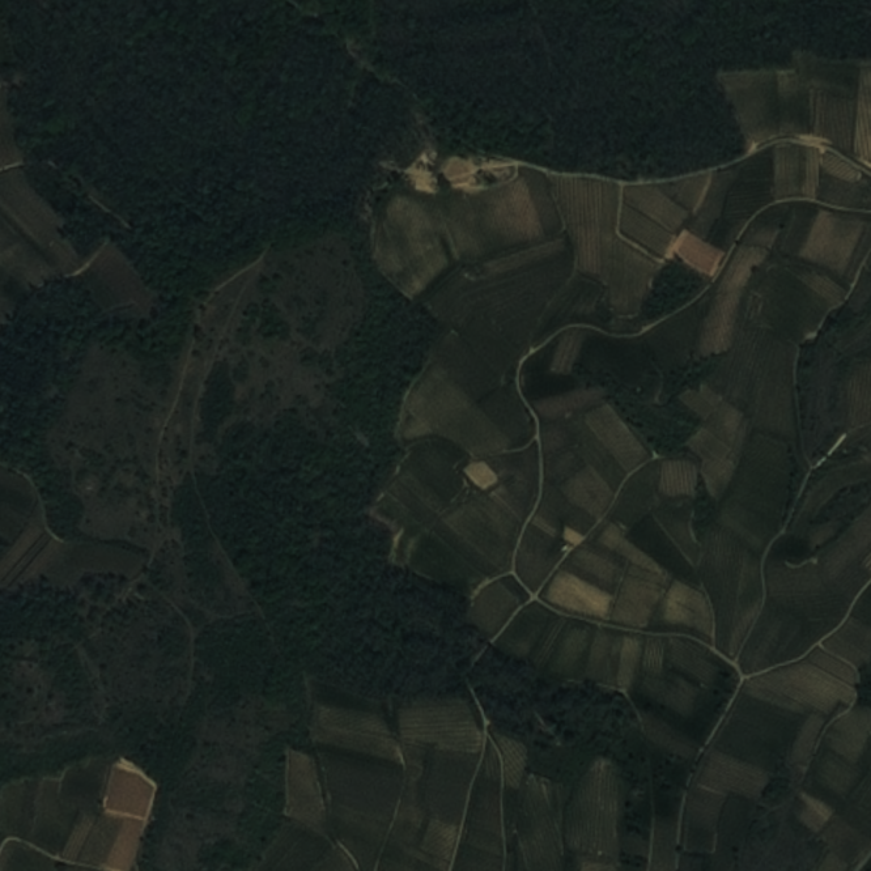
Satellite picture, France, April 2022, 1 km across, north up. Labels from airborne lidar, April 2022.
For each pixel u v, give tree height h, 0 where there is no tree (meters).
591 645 0
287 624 9
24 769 7
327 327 0
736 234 0
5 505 0
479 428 0
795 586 0
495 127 17
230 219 18
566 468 0
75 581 0
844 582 0
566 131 18
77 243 15
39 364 13
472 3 8
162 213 15
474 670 18
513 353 0
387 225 0
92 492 0
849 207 0
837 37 17
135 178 22
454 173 0
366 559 13
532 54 19
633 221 0
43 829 0
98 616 9
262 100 17
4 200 0
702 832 0
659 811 0
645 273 0
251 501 9
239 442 12
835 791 0
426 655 21
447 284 0
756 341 0
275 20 13
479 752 0
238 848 7
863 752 0
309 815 0
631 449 0
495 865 0
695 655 0
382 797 0
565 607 0
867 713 0
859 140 0
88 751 5
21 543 0
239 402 0
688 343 0
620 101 21
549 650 0
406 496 0
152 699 0
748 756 0
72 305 6
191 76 25
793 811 0
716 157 15
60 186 7
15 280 0
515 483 0
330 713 0
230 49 25
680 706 0
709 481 0
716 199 0
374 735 0
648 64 20
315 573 15
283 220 16
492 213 0
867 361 0
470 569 0
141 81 28
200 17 25
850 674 0
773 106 0
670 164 17
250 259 10
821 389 0
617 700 9
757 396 0
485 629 0
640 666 0
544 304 0
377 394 8
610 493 0
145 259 14
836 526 0
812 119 0
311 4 20
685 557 0
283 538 6
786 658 0
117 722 7
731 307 0
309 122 21
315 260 0
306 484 7
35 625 8
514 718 17
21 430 12
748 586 0
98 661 0
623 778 7
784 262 0
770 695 0
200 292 7
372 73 12
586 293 0
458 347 0
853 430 0
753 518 0
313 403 0
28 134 21
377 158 18
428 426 0
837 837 0
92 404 0
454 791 0
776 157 0
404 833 0
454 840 0
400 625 18
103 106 25
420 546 0
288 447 6
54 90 20
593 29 20
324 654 9
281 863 0
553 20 14
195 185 15
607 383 7
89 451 6
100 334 6
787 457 5
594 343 0
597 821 0
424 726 0
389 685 14
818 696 0
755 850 0
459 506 0
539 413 0
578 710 17
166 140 29
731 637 0
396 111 19
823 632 0
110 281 0
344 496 9
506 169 0
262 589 13
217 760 0
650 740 0
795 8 20
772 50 16
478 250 0
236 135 24
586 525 0
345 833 0
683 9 22
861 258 0
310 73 22
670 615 0
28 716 0
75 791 0
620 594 0
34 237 0
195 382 0
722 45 19
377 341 11
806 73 0
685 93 21
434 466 0
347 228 12
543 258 0
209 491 6
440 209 0
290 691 7
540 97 21
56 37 25
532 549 0
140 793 0
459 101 19
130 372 0
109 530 0
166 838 0
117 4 30
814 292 0
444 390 0
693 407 0
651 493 0
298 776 0
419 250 0
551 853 0
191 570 7
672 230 0
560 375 0
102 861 0
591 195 0
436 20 20
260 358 0
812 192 0
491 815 0
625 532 0
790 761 0
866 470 0
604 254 0
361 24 28
